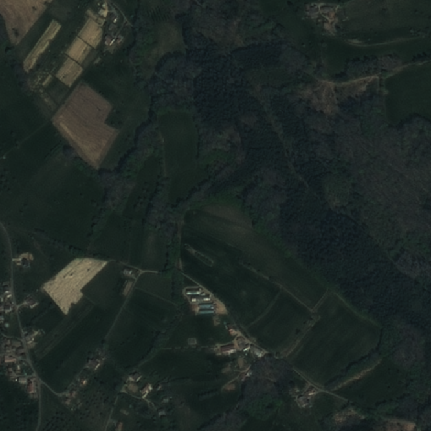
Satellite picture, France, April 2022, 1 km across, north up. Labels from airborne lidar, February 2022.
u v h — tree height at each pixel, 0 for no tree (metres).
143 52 25
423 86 0
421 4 0
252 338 0
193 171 0
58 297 0
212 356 0
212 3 34
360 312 14
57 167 0
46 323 0
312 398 0
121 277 0
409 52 0
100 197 0
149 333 0
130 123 0
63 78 0
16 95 0
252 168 26
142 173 0
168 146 0
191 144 0
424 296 16
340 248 32
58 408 0
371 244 15
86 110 0
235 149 23
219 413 0
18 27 0
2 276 0
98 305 0
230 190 22
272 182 36
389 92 0
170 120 0
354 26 0
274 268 0
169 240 19
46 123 0
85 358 0
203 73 33
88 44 0
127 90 0
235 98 24
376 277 19
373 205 18
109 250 0
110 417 0
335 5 0
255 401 31
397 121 0
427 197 17
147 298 0
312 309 0
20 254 8
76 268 0
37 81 0
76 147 0
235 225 0
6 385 0
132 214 0
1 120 0
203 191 29
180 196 0
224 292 0
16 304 0
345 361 0
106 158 0
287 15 0
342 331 0
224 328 0
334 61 0
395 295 26
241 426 25
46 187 0
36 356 0
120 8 0
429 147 28
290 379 23
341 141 28
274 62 22
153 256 0
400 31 0
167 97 29
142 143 30
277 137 20
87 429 0
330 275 22
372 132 28
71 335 0
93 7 0
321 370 0
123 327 0
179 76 30
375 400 0
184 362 0
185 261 0
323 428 13
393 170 24
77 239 0
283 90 14
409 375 15
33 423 11
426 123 27
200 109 29
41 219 0
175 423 6
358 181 30
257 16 24
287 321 0
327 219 11
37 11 0
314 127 32
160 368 0
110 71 0
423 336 28
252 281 0
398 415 10
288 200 12
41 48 0
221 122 23
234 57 19
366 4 0
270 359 22
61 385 0
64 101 0
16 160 0
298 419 0
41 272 0
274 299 0
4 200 0
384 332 14
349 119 31
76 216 0
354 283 20
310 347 0
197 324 0
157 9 0
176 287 19
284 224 28
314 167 26
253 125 19
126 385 13
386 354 16
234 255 0
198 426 0
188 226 0
